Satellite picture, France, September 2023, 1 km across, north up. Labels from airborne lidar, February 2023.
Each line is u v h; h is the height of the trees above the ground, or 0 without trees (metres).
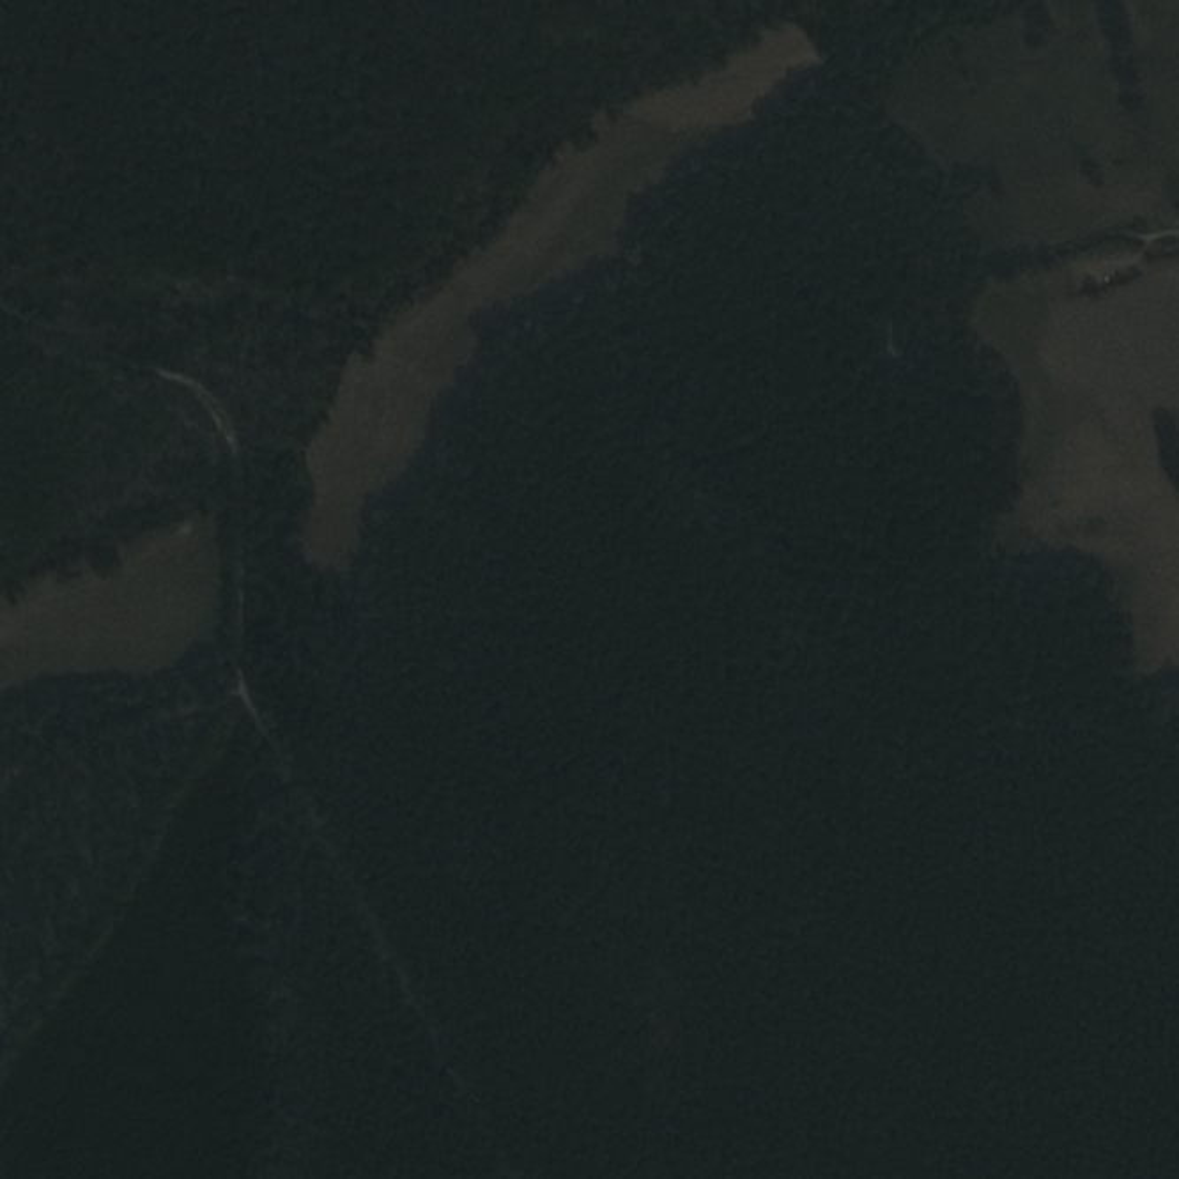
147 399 19
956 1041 24
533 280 0
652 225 21
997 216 0
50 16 24
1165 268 0
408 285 16
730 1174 28
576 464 27
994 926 26
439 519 23
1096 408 0
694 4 18
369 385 0
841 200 20
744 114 0
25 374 18
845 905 27
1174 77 0
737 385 19
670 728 30
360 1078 26
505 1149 21
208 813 9
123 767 25
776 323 23
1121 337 0
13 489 23
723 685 30
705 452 16
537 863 25
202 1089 10
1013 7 6
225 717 14
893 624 25
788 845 27
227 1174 8
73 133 22
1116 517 0
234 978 8
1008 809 25
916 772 25
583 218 0
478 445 26
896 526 25
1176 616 0
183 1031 7
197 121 22
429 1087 26
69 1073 8
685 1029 29
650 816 30
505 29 23
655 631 28
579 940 27
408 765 26
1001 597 25
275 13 22
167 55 24
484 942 28
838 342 22
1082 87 0
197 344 17
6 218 20
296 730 18
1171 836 29
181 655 0
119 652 0
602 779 29
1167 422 17
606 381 28
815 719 23
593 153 0
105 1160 8
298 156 22
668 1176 31
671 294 26
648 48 18
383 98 21
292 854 18
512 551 27
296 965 25
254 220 12
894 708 24
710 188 21
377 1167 25
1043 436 0
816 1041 28
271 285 22
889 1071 27
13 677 0
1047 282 0
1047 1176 26
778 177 18
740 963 31
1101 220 0
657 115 0
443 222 20
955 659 22
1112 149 0
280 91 21
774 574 25
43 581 0
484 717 26
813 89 15
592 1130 26
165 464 12
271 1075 6
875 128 7
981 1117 28
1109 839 29
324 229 21
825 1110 28
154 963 8
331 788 22
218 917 9
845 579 25
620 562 27
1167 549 0
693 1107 29
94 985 6
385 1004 28
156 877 8
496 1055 27
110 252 30
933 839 25
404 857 25
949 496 25
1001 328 0
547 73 20
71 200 23
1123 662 21
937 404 23
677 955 30
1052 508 0
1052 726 26
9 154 23
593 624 32
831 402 21
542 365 27
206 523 0
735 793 33
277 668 17
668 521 29
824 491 23
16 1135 6
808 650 22
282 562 26
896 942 27
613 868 28
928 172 10
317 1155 25
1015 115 0
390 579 24
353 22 22
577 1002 28
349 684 24
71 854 27
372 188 21
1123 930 28
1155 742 27
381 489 0
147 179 23
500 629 24
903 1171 27
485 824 28
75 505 18
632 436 25
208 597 0
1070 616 24
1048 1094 26
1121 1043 26
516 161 26
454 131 21
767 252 21
